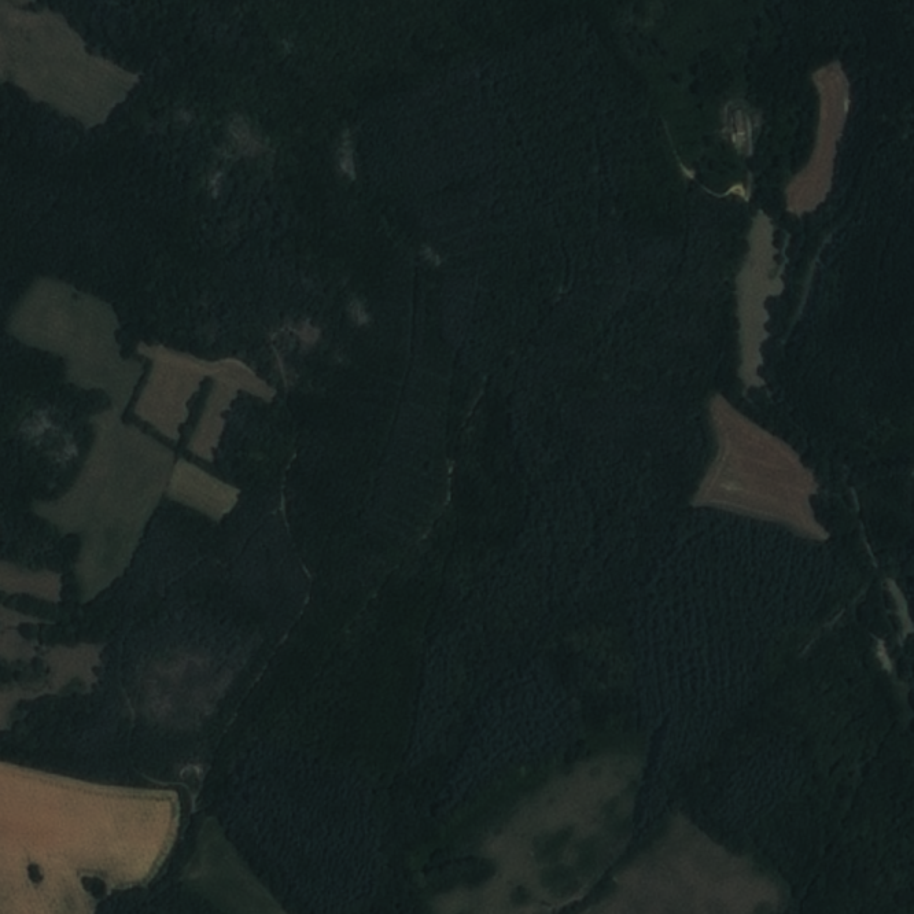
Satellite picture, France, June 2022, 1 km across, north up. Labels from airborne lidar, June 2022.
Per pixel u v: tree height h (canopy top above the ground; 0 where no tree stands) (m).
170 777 7
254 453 11
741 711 22
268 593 13
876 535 11
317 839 33
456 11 23
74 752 14
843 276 22
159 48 9
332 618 10
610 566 20
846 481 19
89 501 0
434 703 24
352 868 30
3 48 0
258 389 0
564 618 21
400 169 23
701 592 28
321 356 5
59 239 14
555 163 26
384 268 7
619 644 22
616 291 16
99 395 11
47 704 15
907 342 19
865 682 27
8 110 11
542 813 0
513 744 34
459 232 20
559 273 17
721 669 30
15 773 0
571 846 0
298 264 7
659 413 15
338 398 8
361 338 9
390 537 10
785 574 31
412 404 17
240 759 14
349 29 20
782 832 23
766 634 27
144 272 16
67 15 18
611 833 0
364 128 24
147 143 8
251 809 29
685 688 29
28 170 14
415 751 27
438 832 23
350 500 12
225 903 0
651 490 15
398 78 19
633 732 16
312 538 10
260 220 10
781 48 13
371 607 10
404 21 19
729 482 0
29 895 0
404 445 13
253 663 9
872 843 24
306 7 22
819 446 26
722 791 26
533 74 22
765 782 33
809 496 0
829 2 24
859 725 26
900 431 25
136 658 10
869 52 24
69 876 0
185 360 0
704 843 0
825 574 30
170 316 11
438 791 16
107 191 16
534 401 11
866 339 20
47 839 0
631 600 24
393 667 12
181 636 9
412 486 11
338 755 16
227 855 0
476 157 20
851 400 20
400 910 25
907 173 14
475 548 9
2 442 13
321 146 6
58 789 0
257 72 23
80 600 9
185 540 11
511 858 0
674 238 16
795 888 13
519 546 17
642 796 12
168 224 17
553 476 15
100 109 0
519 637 13
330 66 22
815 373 17
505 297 13
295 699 10
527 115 20
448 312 19
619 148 24
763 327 0
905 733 23
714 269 19
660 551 24
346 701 13
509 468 10
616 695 22
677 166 17
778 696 20
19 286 13
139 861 0
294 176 7
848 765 19
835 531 20
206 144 11
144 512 0
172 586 12
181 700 0
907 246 16
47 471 8
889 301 20
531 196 18
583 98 18
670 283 10
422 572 11
